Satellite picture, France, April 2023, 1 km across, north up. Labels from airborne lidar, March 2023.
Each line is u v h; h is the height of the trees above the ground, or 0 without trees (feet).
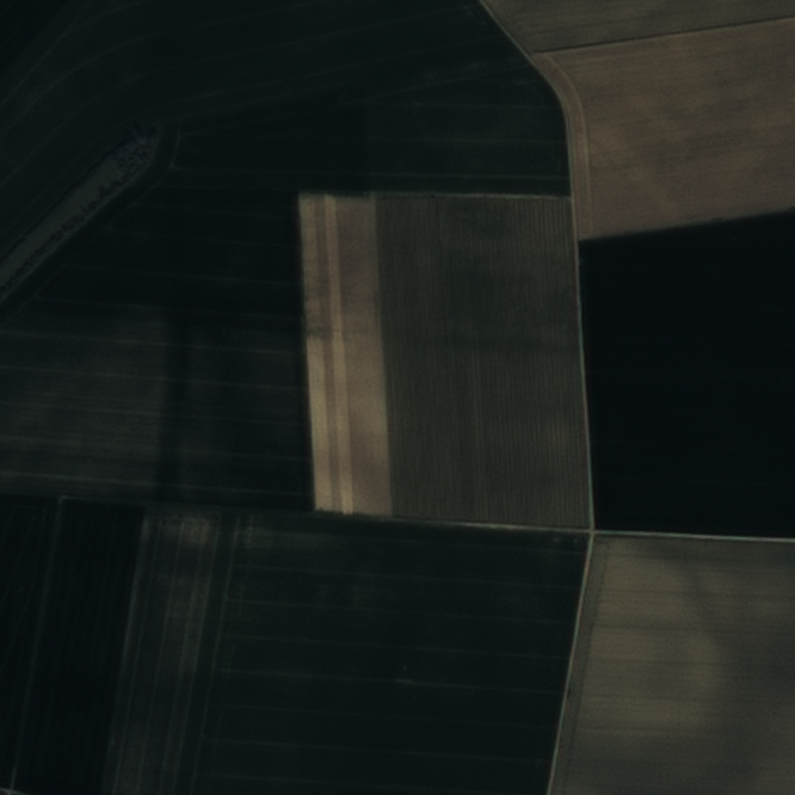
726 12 0
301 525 0
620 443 0
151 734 0
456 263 0
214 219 0
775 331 0
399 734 0
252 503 0
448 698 0
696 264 0
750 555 0
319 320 0
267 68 0
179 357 0
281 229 0
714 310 0
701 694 0
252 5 0
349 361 0
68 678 0
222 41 0
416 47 0
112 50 0
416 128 0
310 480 0
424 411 0
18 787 0
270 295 0
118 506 0
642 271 0
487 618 0
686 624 0
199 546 0
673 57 0
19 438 0
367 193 0
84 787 0
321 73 0
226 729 0
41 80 0
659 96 0
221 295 0
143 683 0
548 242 0
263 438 0
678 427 0
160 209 0
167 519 0
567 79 0
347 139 0
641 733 0
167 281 0
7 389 0
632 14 0
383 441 0
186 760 0
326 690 0
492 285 0
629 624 0
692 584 0
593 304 0
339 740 0
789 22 0
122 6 0
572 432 0
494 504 0
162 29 0
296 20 0
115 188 23
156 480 0
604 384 0
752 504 0
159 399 0
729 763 0
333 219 0
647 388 0
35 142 0
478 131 0
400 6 0
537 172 0
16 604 0
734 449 0
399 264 0
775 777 0
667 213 0
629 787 0
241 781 0
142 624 0
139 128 0
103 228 0
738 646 0
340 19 0
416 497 0
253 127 0
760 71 0
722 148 0
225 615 0
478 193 0
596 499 0
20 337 0
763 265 0
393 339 0
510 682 0
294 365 0
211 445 0
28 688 0
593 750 0
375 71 0
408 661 0
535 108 0
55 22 0
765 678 0
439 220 0
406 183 0
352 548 0
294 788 0
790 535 0
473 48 0
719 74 0
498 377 0
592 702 0
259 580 0
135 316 0
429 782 0
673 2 0
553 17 0
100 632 0
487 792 0
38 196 0
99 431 0
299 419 0
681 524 0
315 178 0
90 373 0
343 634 0
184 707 0
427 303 0
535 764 0
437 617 0
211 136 0
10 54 0
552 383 0
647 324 0
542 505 0
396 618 0
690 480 0
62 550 0
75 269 0
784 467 0
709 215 0
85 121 0
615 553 0
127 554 0
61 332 0
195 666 0
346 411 0
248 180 0
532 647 0
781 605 0
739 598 0
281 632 0
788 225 0
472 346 0
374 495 0
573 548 0
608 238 0
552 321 0
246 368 0
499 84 0
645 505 0
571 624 0
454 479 0
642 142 0
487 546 0
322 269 0
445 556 0
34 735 0
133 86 0
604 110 0
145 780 0
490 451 0
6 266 0
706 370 0
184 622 0
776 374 0
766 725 0
